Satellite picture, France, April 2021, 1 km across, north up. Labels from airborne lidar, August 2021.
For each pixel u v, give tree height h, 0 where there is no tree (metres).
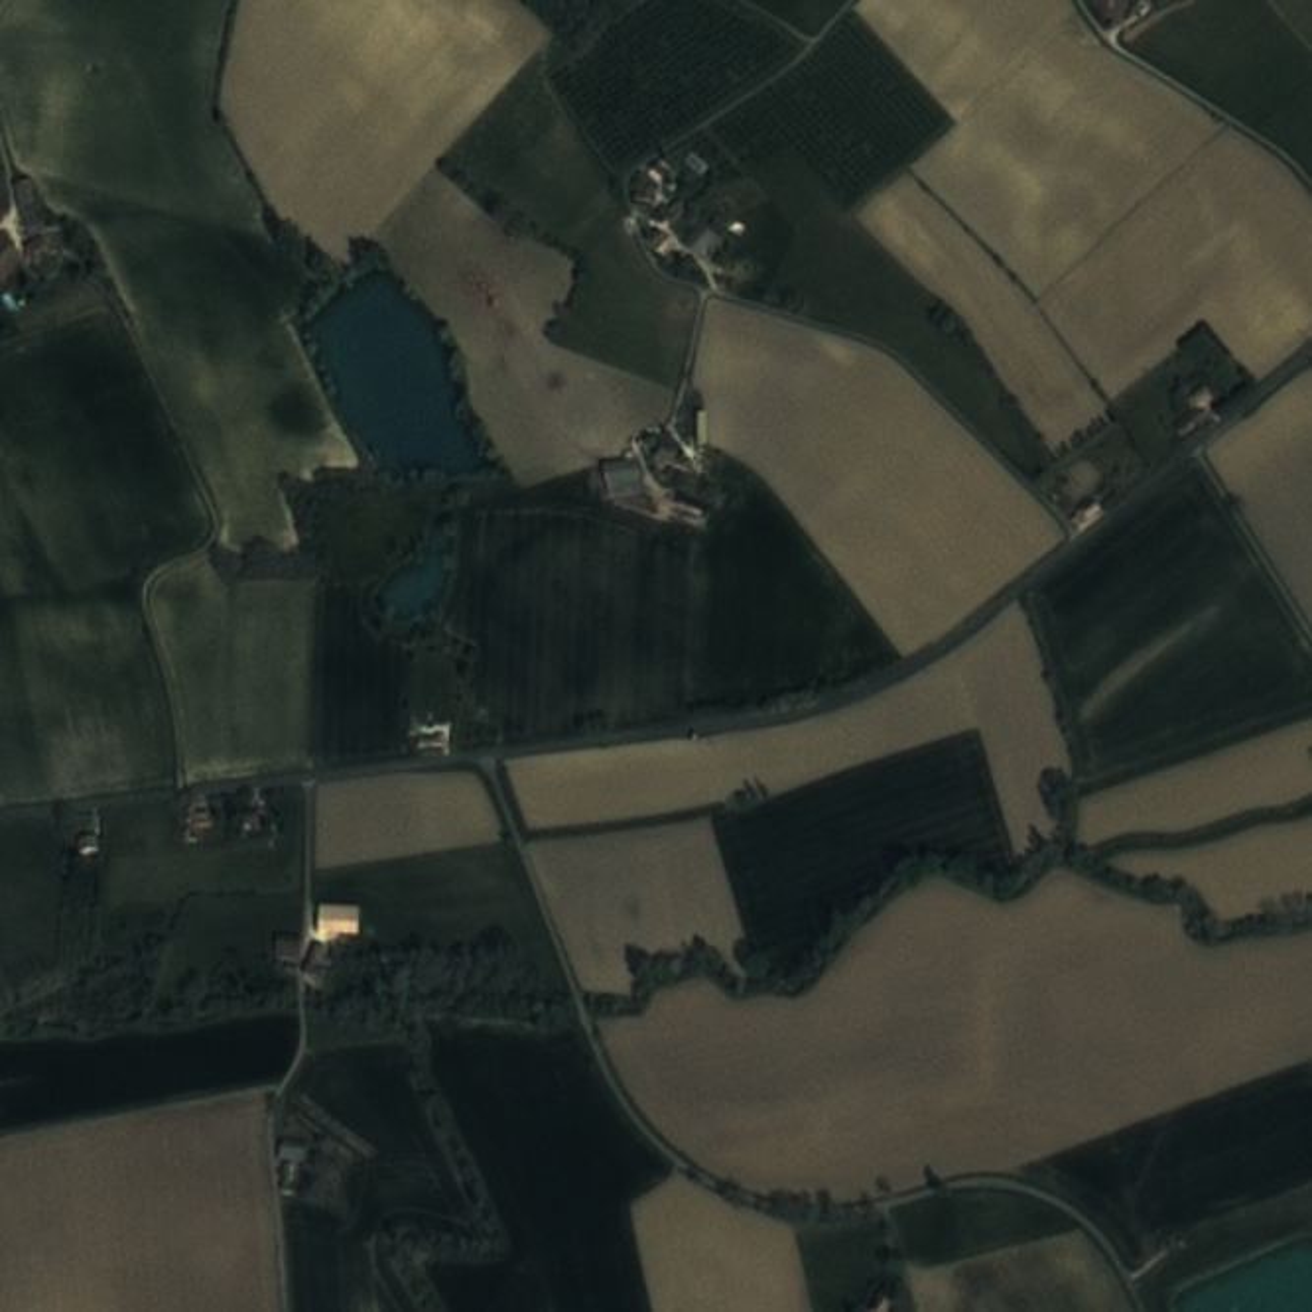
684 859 0
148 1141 0
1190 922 8
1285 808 0
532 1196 0
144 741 0
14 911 0
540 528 0
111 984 12
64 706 0
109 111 0
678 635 0
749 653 0
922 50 0
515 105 0
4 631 0
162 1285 0
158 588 0
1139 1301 0
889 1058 0
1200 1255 0
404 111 0
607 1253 0
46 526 0
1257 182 0
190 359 0
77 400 0
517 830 0
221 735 0
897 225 0
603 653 0
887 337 0
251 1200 0
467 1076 0
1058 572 0
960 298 0
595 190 0
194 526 0
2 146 0
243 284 0
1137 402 0
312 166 0
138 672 0
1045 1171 0
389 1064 0
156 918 0
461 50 0
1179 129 0
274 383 0
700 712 14
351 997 12
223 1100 0
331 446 0
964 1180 0
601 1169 0
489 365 0
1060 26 0
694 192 11
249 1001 14
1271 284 0
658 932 0
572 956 0
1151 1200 0
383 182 0
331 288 22
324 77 0
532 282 0
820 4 0
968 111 0
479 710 0
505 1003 14
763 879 0
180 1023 13
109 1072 0
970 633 0
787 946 0
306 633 0
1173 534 0
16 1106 0
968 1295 0
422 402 0
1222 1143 0
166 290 0
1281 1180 0
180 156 0
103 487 0
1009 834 0
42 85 0
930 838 0
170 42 0
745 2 0
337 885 0
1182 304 0
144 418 0
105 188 0
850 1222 13
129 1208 0
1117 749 0
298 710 0
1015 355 0
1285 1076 0
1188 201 0
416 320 0
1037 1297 0
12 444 0
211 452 0
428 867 0
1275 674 0
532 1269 0
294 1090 0
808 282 0
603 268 0
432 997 9
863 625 0
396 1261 11
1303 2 0
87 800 0
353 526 0
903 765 0
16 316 0
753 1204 12
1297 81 0
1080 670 0
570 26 21
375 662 0
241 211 0
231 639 0
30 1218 0
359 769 0
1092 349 0
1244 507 16
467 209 0
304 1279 0
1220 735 0
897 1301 18
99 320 0
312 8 0
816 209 0
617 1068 0
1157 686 0
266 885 0
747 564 0
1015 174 0
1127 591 0
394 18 0
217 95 0
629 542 0
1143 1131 0
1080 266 0
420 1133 0
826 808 0
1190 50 0
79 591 0
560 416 0
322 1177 16
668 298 0
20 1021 8
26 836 0
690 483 13
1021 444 0
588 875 0
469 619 0
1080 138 0
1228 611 0
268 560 22
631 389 0
